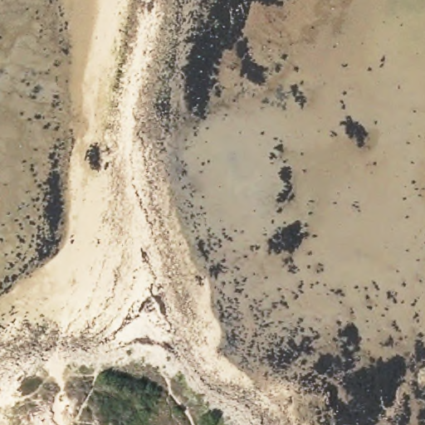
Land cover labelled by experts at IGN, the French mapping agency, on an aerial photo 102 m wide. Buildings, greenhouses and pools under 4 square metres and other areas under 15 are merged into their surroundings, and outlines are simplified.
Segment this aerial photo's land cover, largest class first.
<instances>
[{"label":"bare soil","instance_id":"1","mask_svg":"<svg viewBox=\"0 0 425 425\"><path fill-rule=\"evenodd\" d=\"M217 0H0V425H73L71 415L75 410V402L80 405L81 402H90L91 395L95 392L115 395L118 390L115 385H106L105 379L101 377V372L105 369H118L126 374L146 377L164 387L166 383L161 375L171 374L174 377L176 374H183L186 385L193 388L194 392L203 393L204 402H209L212 410H221L224 425H335V412L329 405V393H304V387H300L299 382L302 375L309 374L315 362L320 359V355H337L342 352V344L347 337H340L339 330H344L349 324H354L360 335V350L354 355V365L357 369L377 365L380 359H392L395 355L405 360V377L395 392L392 407H387L385 400L379 398L383 413L379 418L372 417L370 425H392L393 417L402 413L403 395L410 398L412 425H425V0H281L282 7L252 2L246 25L242 28V33L247 38L249 55L257 65L264 66V83L257 85L247 76H241V60L236 51H222L219 73L211 75V80H216V83L209 88L206 120H201L199 116L189 113L184 100L183 66L188 63L189 51L193 48L191 43H186V38L206 33L203 25L208 22L209 10ZM349 116L367 131L362 148L357 146V139L349 138L345 126L342 125V121L347 120ZM93 144H96V146H98V148H100V169H93V168H91V166H90V161H88V158H86V153H88V149H90V148H91V146H93ZM282 168H291L294 199L277 203V196L284 191ZM50 173L60 174L61 181L66 184V191L61 194L65 201L63 211L66 216L61 219L56 229V237L61 242L60 252L48 261H40L37 244L43 241V237H50V226L43 214L46 206V203H43V194L50 189L46 181ZM292 222H300V232H309V237L300 242L296 251H282L277 254L267 251L269 239L281 227L291 226ZM304 337H310L312 352L300 354L289 365V369H277L279 350L289 349V340L300 344Z\"/></svg>","mask_w":425,"mask_h":425},{"label":"herbaceous vegetation","instance_id":"2","mask_svg":"<svg viewBox=\"0 0 425 425\"><path fill-rule=\"evenodd\" d=\"M252 2L282 7L281 0H217L209 10L208 22L203 25L206 33L186 38V43H191L193 48L189 51L188 63L183 66L184 100L189 113L199 116L201 120H206L209 88L216 83V80H211V75L219 73L222 51H236L241 60V76H247L257 85L264 83V66L257 65L249 55L247 38L242 33V28L246 25ZM342 125L345 126L349 138L357 139V146L362 148L367 131L349 116L347 120L342 121ZM86 158H88V161H90V166H91V168H93V169H100V148H98V146H96V144H93V146H91V148H90V149H88V153H86ZM284 191L277 196V203L294 199L291 168H282ZM46 181L50 189L43 194V203H46V206L43 214L50 226V237H43V241L37 244L40 261H48L60 252L61 242L56 237V229L61 219L66 216L63 211L65 201L61 194L66 191V184L61 181L60 174L50 173ZM309 237V232H300V222H292L291 226L281 227L269 239L267 251L277 254L282 251H296L300 242ZM340 337H347L342 344V352L337 355H320V359L315 362L309 374L302 375L299 382L300 387H304V393H329V405L335 412V425H370L372 417L379 418L383 413L379 398L385 400L387 407H392L395 392L405 377V360L395 355L392 359H380L377 365L357 369L354 365V355L360 350V335L354 324H349L344 330H339ZM312 352L310 337H304L300 344L289 340V349L279 350L277 369H289V365L300 354ZM166 383L164 387L158 407H154L153 413L149 415L148 422L151 425H198L204 413L212 410L209 402H204L203 393L194 392L193 388L186 385L183 374H176L174 377L171 374L161 375ZM392 425H412L410 398L403 395L402 413L393 417Z\"/></svg>","mask_w":425,"mask_h":425},{"label":"brushwood","instance_id":"3","mask_svg":"<svg viewBox=\"0 0 425 425\"><path fill-rule=\"evenodd\" d=\"M101 377L105 379L106 385H115L118 390L115 395L95 392L91 395L90 402L100 407L98 425H151L148 422L149 415L153 413L154 407H158L164 387L146 377L126 374L118 369H105L101 372ZM198 425H224L221 410H212L204 413Z\"/></svg>","mask_w":425,"mask_h":425},{"label":"pervious surface","instance_id":"4","mask_svg":"<svg viewBox=\"0 0 425 425\"><path fill-rule=\"evenodd\" d=\"M100 407L90 402H81L80 405L75 402V410L71 415L73 425H98Z\"/></svg>","mask_w":425,"mask_h":425}]
</instances>
